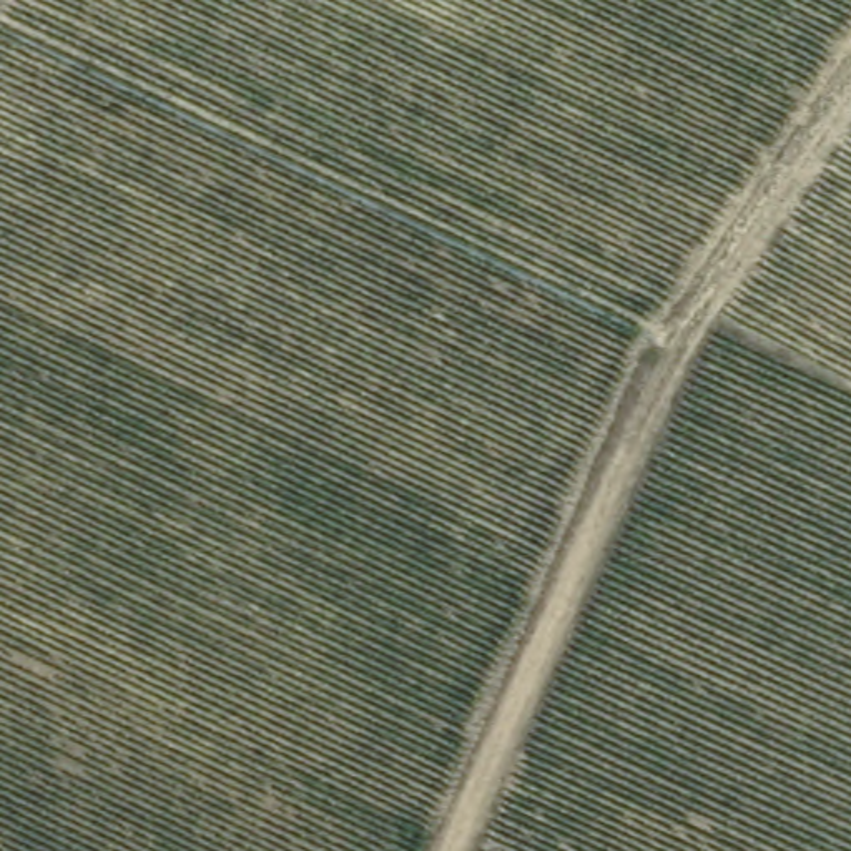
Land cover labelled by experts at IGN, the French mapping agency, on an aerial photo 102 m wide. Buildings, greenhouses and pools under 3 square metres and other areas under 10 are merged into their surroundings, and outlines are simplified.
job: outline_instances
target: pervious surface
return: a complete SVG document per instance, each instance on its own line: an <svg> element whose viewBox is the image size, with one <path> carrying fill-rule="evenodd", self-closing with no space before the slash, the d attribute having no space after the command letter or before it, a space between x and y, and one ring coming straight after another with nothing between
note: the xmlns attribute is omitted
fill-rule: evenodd
<svg viewBox="0 0 851 851"><path fill-rule="evenodd" d="M572 632L578 602L588 588L588 578L595 575L602 548L628 509L635 475L652 452L652 439L665 429L671 399L681 389L681 379L698 346L718 322L725 303L731 303L741 293L745 279L751 279L755 263L765 256L765 246L771 243L775 229L788 216L794 216L804 186L811 186L821 176L831 146L841 146L851 136L851 23L844 37L831 43L824 63L818 66L818 76L808 83L778 136L768 146L761 146L758 163L751 166L745 183L725 199L725 209L718 213L705 243L688 253L678 283L668 289L665 303L655 312L648 312L642 329L658 346L658 366L648 372L642 386L638 406L632 409L618 449L612 452L602 472L598 492L565 555L552 598L532 632L532 642L522 652L515 678L502 698L499 718L432 851L469 851L472 834L489 818L499 771L509 761L509 751L522 741L539 691L552 671L552 662Z"/></svg>

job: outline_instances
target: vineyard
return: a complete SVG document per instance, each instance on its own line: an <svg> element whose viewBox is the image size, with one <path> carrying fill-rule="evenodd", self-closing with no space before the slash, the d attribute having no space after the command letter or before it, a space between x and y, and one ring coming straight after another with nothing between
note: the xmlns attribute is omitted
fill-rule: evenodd
<svg viewBox="0 0 851 851"><path fill-rule="evenodd" d="M499 771L489 818L472 834L469 851L851 851L851 136L841 146L831 146L821 176L811 186L804 186L794 216L788 216L775 229L771 243L765 246L765 256L755 263L751 279L745 279L741 293L731 303L725 303L718 322L698 346L681 379L681 389L671 399L665 429L652 439L652 452L635 475L628 509L602 548L595 575L588 578L588 588L578 602L572 632L552 662L552 671L539 691L522 741L509 751L509 761Z"/></svg>
<svg viewBox="0 0 851 851"><path fill-rule="evenodd" d="M532 632L552 598L565 555L598 492L602 472L612 452L618 449L632 409L638 406L642 386L648 372L658 366L658 346L642 329L648 312L655 312L665 303L668 289L678 283L688 253L705 243L718 213L725 209L725 199L745 183L751 166L758 163L761 146L768 146L778 136L808 83L818 76L818 66L824 63L831 43L844 37L851 23L851 0L0 0L0 851L432 851L499 718L502 698L515 678L522 652L532 642Z"/></svg>

